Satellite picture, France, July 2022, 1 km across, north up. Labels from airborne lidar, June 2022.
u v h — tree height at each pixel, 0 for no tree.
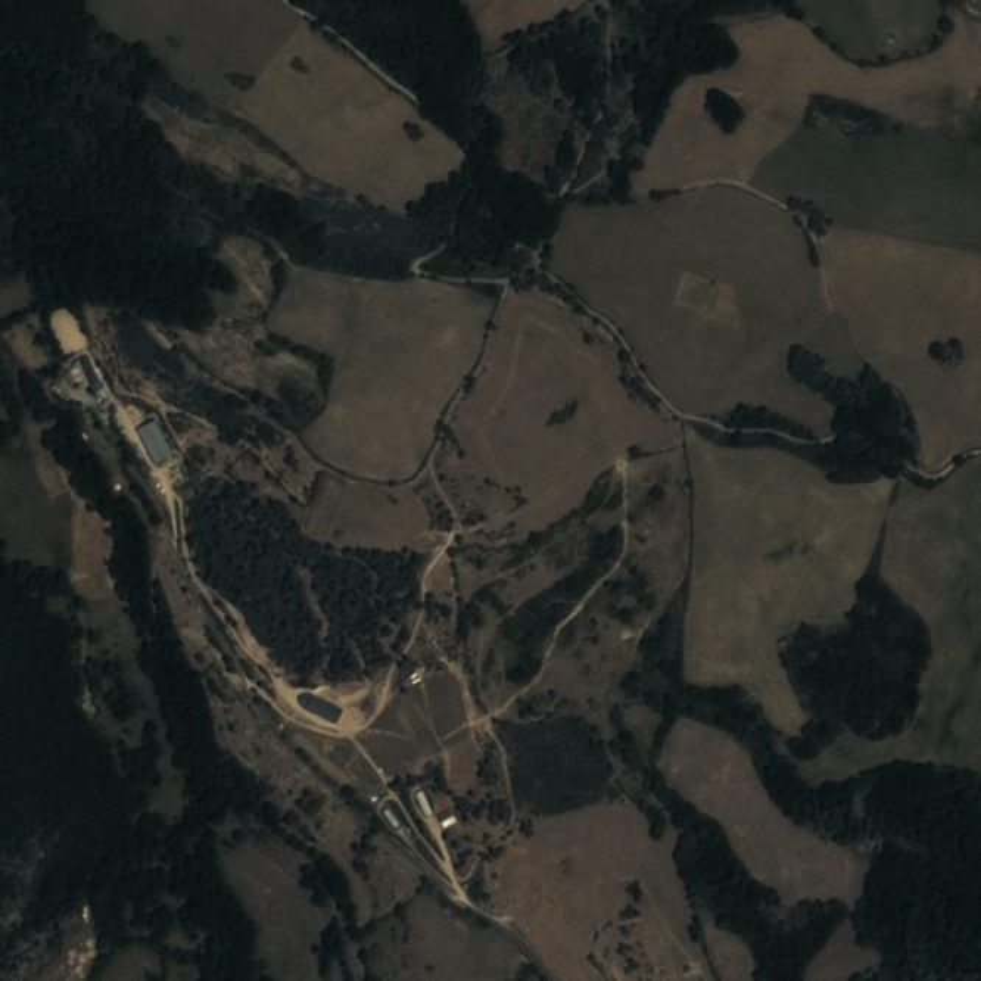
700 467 0
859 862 0
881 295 0
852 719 12
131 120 9
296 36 0
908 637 7
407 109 0
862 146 0
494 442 0
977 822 14
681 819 16
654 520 0
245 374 0
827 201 0
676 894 0
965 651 0
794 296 0
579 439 0
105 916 27
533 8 0
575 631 0
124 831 21
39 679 21
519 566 0
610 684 0
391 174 0
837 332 0
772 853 0
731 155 0
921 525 0
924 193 0
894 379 0
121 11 0
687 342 0
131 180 12
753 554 0
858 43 0
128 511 17
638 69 12
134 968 0
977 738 0
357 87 0
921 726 0
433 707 0
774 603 0
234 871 0
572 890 0
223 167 0
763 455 0
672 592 0
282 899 0
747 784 0
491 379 0
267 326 0
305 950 0
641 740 0
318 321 0
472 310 0
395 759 0
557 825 0
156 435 0
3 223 0
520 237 23
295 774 0
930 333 0
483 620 7
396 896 0
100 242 13
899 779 17
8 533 0
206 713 7
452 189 16
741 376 0
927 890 11
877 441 12
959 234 0
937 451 0
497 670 0
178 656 9
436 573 0
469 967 0
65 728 23
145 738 8
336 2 15
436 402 0
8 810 17
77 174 7
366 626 14
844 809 14
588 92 17
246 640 0
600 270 0
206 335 0
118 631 0
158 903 6
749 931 7
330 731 0
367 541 0
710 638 0
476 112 10
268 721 0
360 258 8
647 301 0
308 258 6
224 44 0
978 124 0
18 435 15
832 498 0
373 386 0
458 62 21
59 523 0
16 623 19
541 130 0
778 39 0
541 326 0
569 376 0
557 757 0
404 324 0
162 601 9
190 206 9
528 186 13
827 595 0
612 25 0
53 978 0
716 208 0
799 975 8
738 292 0
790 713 0
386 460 0
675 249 0
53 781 23
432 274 7
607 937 0
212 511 12
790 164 0
